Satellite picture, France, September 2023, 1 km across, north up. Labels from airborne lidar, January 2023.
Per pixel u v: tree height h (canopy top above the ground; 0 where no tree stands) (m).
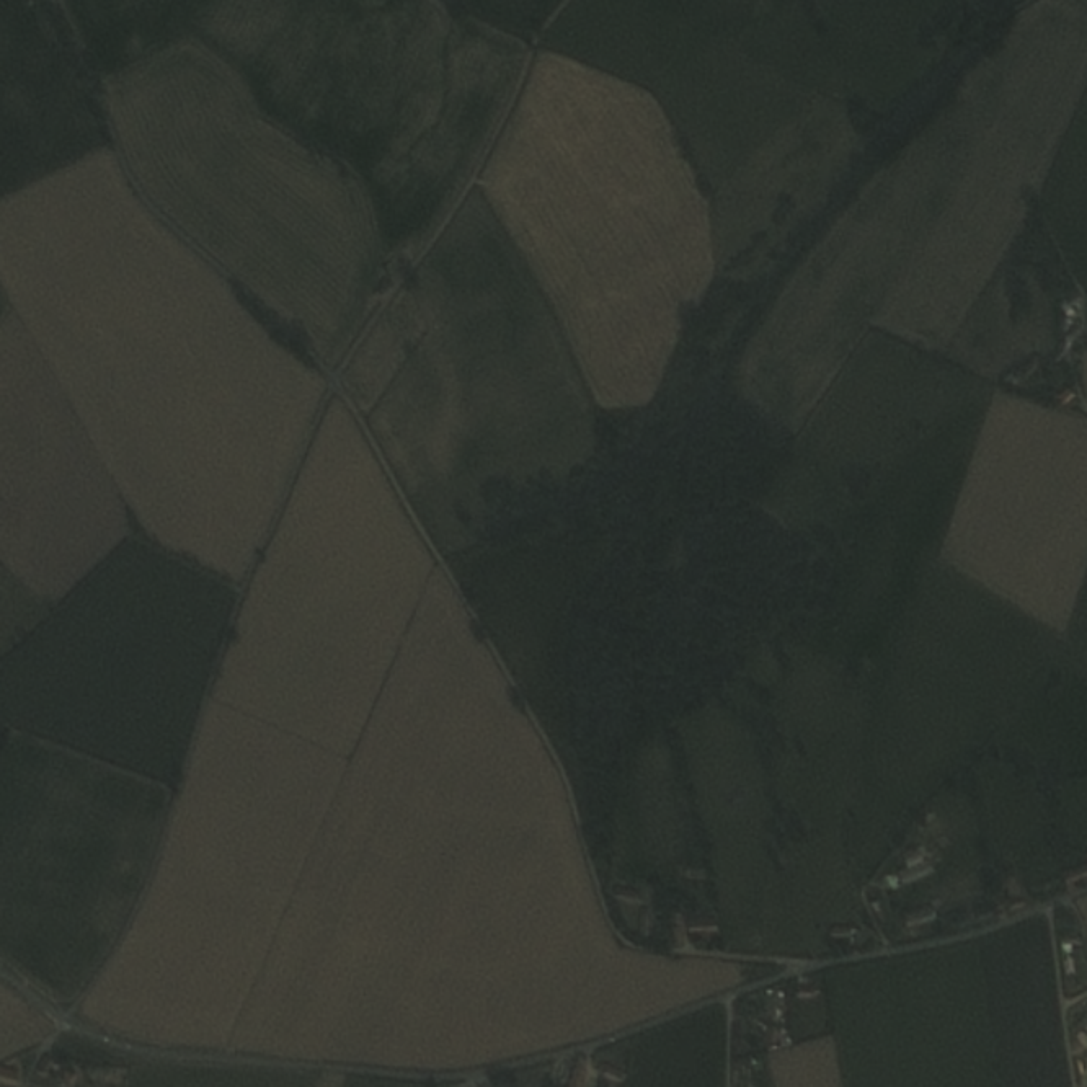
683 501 7
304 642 0
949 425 0
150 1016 0
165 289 0
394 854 0
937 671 0
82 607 0
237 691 0
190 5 0
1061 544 0
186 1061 0
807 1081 0
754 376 0
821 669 0
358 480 0
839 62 0
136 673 0
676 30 0
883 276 0
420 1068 0
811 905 0
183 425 0
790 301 0
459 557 0
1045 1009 0
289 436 0
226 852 0
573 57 0
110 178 0
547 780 0
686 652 9
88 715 0
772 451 18
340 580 0
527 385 0
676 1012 0
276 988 0
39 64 0
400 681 0
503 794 0
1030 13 0
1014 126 0
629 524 18
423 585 0
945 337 0
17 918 0
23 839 0
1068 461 0
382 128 0
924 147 0
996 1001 0
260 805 0
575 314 0
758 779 0
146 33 0
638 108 0
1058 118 0
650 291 0
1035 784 0
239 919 0
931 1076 0
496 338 0
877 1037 0
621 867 0
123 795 0
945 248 0
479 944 0
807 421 0
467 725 0
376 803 0
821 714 0
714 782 0
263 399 0
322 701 0
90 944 0
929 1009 0
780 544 20
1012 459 0
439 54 0
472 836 0
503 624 0
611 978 0
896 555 0
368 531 0
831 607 18
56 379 0
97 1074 0
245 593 0
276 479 0
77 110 0
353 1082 0
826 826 0
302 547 0
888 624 0
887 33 0
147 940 0
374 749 0
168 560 0
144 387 0
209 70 0
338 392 0
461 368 0
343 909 0
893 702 0
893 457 0
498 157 0
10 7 0
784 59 0
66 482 0
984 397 0
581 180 0
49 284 0
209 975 0
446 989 0
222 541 0
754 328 9
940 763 0
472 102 0
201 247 0
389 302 0
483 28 0
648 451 9
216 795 0
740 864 0
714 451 22
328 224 0
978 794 17
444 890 0
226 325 0
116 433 0
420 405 0
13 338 0
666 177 0
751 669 0
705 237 0
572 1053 0
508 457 0
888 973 0
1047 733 0
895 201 0
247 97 0
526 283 0
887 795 0
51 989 0
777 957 0
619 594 20
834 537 8
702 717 0
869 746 0
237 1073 0
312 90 0
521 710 8
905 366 0
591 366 0
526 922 0
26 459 0
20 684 0
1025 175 0
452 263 0
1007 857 0
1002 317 0
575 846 0
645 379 0
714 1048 0
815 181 0
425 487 0
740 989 0
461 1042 0
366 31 0
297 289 0
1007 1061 0
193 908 0
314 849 0
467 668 0
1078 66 0
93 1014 0
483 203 0
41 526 0
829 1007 0
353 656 0
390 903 0
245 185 0
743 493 19
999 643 0
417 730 0
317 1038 0
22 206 0
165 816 0
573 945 0
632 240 0
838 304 0
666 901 12
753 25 0
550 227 0
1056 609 0
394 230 0
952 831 0
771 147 0
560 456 0
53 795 0
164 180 0
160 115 0
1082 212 0
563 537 10
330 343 0
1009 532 0
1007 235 0
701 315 18
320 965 0
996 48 12
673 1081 0
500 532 23
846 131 0
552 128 0
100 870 0
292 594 0
